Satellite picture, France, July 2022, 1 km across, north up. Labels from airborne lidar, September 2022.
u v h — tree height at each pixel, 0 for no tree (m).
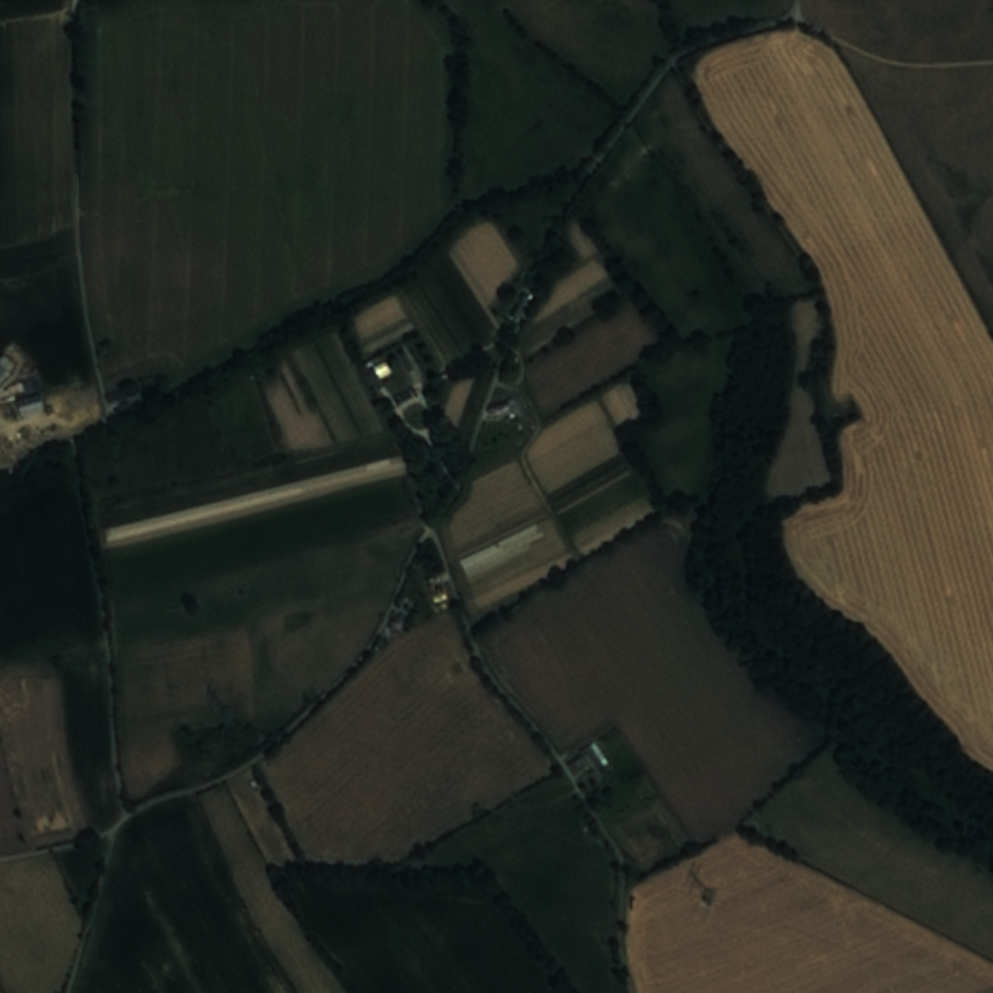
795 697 23
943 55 0
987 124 0
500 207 20
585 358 0
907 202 0
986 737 0
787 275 0
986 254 0
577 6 0
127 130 0
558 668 0
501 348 13
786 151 0
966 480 0
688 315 0
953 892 0
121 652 0
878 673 24
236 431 0
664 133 0
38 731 0
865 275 0
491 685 10
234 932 0
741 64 0
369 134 0
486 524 0
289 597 0
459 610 12
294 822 0
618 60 0
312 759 0
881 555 0
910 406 0
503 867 0
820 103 0
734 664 0
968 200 0
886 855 0
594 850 0
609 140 12
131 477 0
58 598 0
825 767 0
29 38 0
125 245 0
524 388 0
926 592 0
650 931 0
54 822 0
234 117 0
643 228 0
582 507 0
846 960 0
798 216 0
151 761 0
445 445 23
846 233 0
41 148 0
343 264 0
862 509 0
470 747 0
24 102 0
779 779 0
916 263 0
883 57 0
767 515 16
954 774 16
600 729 0
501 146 0
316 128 0
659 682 0
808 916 0
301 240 0
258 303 0
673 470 0
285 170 0
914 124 0
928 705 11
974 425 0
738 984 0
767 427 19
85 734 0
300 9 0
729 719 0
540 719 0
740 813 0
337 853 0
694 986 0
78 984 0
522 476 0
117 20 0
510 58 0
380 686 0
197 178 0
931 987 0
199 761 0
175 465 0
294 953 0
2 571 0
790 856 16
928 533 0
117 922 0
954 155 0
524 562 0
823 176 0
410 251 0
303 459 0
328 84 0
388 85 0
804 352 0
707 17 0
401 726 0
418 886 19
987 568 0
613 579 0
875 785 27
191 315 0
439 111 0
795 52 0
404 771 0
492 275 0
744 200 0
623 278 29
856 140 0
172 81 0
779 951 0
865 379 0
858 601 0
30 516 0
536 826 0
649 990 0
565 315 0
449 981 0
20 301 0
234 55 0
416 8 0
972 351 0
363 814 0
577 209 8
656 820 0
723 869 0
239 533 0
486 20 0
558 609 0
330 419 0
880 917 0
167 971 0
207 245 0
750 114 0
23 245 0
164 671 0
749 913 0
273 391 0
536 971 0
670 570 0
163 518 0
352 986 10
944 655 0
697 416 0
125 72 0
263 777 6
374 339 0
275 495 0
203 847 0
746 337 14
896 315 0
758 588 16
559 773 15
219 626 0
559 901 0
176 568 0
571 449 0
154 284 0
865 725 12
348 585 0
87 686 0
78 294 0
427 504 18
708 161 0
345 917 0
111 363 0
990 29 0
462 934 0
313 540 0
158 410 16
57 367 0
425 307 0
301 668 0
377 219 0
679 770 0
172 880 0
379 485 0
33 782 0
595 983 0
